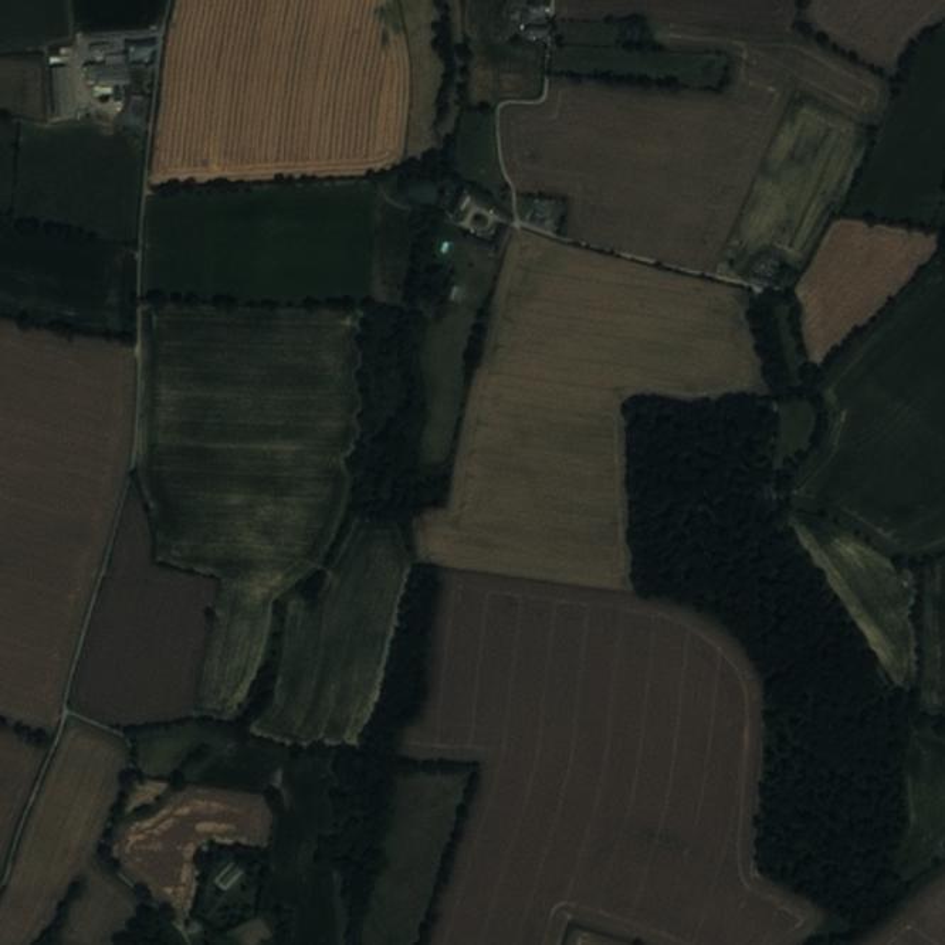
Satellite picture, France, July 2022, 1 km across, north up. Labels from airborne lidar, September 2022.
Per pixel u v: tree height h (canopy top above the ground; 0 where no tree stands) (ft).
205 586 0
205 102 0
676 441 81
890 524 0
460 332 0
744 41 0
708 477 85
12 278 0
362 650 0
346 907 25
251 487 0
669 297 0
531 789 0
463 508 0
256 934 0
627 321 0
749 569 68
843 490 0
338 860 24
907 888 41
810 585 62
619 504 0
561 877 0
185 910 0
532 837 0
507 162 0
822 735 48
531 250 0
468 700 0
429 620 69
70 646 0
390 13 0
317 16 0
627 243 0
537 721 0
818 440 44
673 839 0
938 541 0
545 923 0
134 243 23
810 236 0
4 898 0
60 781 0
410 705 55
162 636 0
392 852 0
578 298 0
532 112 0
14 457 0
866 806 54
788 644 65
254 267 0
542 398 0
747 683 0
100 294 0
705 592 29
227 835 0
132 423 0
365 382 40
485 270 0
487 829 0
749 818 0
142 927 53
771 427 61
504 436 0
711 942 0
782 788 61
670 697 0
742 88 0
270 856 22
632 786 0
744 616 55
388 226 0
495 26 0
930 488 0
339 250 0
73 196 0
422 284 38
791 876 45
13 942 0
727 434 72
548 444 0
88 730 0
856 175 24
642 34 23
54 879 0
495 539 0
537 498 0
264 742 32
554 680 0
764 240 0
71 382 0
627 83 34
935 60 0
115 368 0
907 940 0
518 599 0
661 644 0
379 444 41
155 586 0
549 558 0
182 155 0
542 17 0
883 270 0
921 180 0
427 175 20
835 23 0
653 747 0
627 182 0
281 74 0
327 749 54
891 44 0
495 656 0
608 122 0
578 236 0
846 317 0
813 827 67
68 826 0
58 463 0
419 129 0
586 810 0
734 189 0
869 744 52
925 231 33
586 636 0
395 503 40
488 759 0
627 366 0
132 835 0
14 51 0
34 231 61
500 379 0
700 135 0
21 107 0
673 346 0
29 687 0
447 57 30
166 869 0
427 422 0
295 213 0
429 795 0
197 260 0
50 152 0
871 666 46
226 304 46
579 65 0
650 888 0
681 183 0
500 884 0
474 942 0
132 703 0
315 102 0
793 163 0
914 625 41
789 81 0
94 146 0
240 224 0
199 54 0
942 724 61
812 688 49
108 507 0
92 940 0
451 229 0
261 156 0
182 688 0
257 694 22
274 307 32
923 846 0
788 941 0
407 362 46
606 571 0
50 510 0
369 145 0
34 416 0
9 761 0
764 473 79
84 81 0
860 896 55
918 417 0
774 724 55
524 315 0
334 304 41
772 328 59
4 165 0
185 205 0
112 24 0
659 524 45
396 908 0
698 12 0
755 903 0
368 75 0
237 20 0
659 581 47
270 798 57
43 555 0
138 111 0
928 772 0
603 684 0
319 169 0
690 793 0
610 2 0
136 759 23
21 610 0
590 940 0
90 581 0
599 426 0
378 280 0
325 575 24
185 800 0
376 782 50
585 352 0
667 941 0
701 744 0
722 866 0
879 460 0
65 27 0
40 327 22
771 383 51
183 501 0
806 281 0
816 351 0
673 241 0
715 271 0
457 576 0
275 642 19
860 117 0
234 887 0
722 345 0
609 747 0
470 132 0
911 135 0
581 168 0
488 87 0
